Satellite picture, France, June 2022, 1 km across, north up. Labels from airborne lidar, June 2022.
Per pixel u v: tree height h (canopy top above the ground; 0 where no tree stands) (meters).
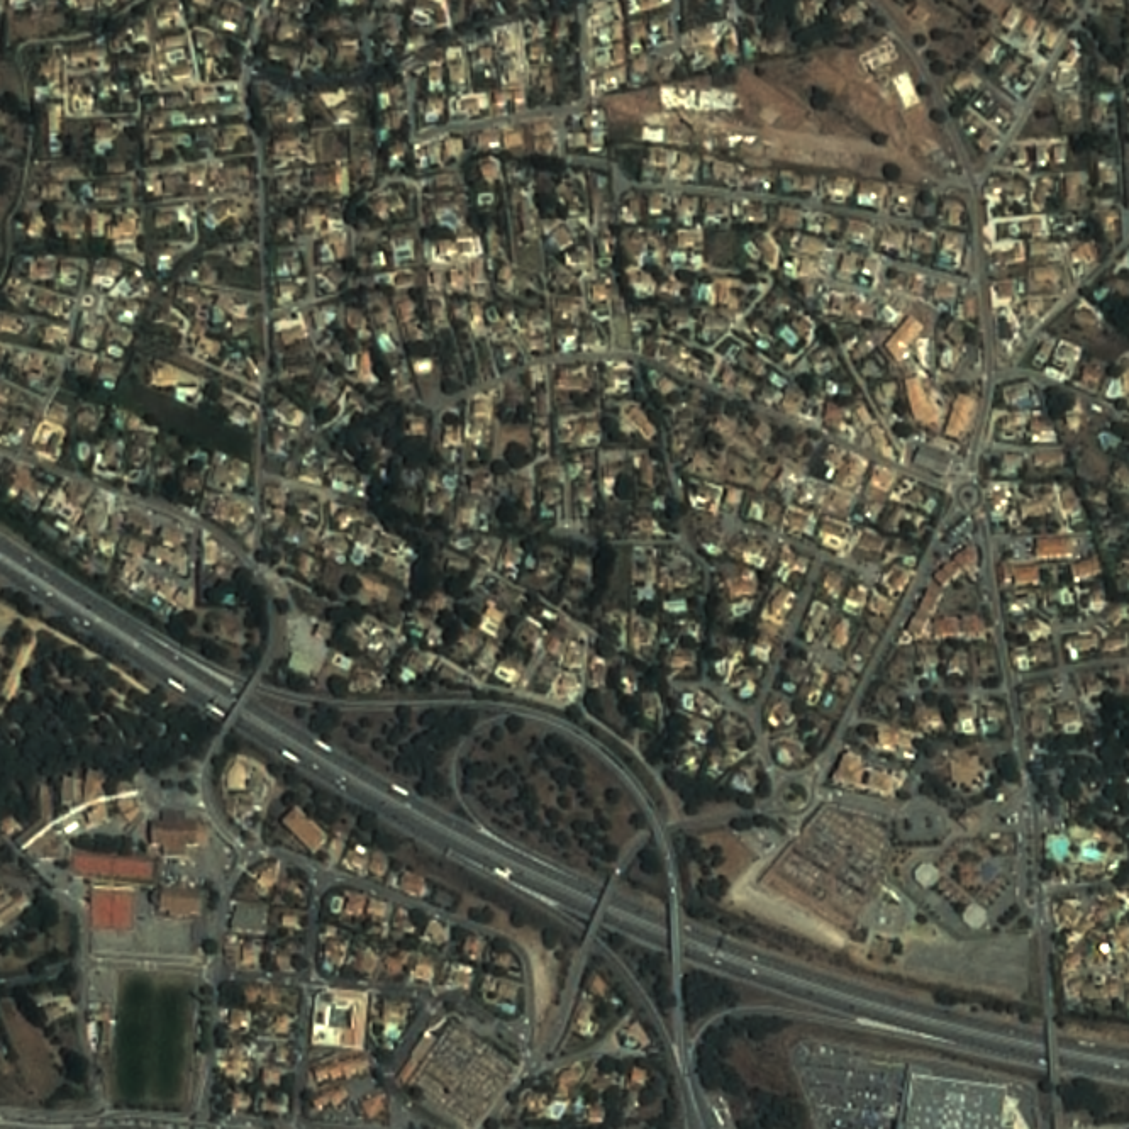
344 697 9
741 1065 0
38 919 9
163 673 0
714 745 6
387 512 12
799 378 7
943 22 0
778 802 0
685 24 6
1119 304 10
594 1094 6
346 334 10
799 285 7
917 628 0
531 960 0
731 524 0
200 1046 12
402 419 7
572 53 8
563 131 0
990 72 10
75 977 7
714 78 11
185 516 0
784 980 0
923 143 0
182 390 0
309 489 0
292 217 10
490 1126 10
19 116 10
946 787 7
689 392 6
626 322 0
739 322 0
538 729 0
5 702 9
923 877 0
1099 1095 9
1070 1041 0
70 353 0
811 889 0
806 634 6
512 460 10
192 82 0
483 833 0
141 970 0
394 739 12
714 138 0
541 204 14
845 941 0
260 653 8
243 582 13
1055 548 0
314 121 6
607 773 0
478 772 12
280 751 0
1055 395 10
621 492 13
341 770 0
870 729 10
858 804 0
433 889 5
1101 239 9
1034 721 0
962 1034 0
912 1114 0
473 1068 0
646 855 10
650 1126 8
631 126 0
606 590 8
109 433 6
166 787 7
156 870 0
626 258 13
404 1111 0
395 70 8
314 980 0
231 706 0
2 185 9
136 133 10
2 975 0
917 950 0
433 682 10
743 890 0
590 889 0
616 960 0
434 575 12
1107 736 9
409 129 7
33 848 0
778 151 0
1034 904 0
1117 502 8
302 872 6
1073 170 0
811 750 9
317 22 11
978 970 0
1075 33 7
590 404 8
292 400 10
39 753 15
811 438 7
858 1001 0
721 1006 9
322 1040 0
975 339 9
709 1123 0
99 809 0
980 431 0
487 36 10
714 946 0
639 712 13
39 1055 0
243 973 0
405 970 10
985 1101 0
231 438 0
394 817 0
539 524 7
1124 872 15
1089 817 10
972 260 0
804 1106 0
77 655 10
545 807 7
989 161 0
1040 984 0
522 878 0
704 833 0
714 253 0
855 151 0
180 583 0
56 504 0
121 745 15
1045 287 0
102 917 0
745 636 9
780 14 11
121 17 6
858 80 0
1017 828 0
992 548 0
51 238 5
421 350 14
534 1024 0
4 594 9
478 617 10
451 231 11
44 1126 0
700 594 8
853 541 0
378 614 8
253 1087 11
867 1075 0
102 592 5
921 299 0
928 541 6
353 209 10
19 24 0
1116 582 9
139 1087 0
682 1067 0
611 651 10
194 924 0
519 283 0
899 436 9
